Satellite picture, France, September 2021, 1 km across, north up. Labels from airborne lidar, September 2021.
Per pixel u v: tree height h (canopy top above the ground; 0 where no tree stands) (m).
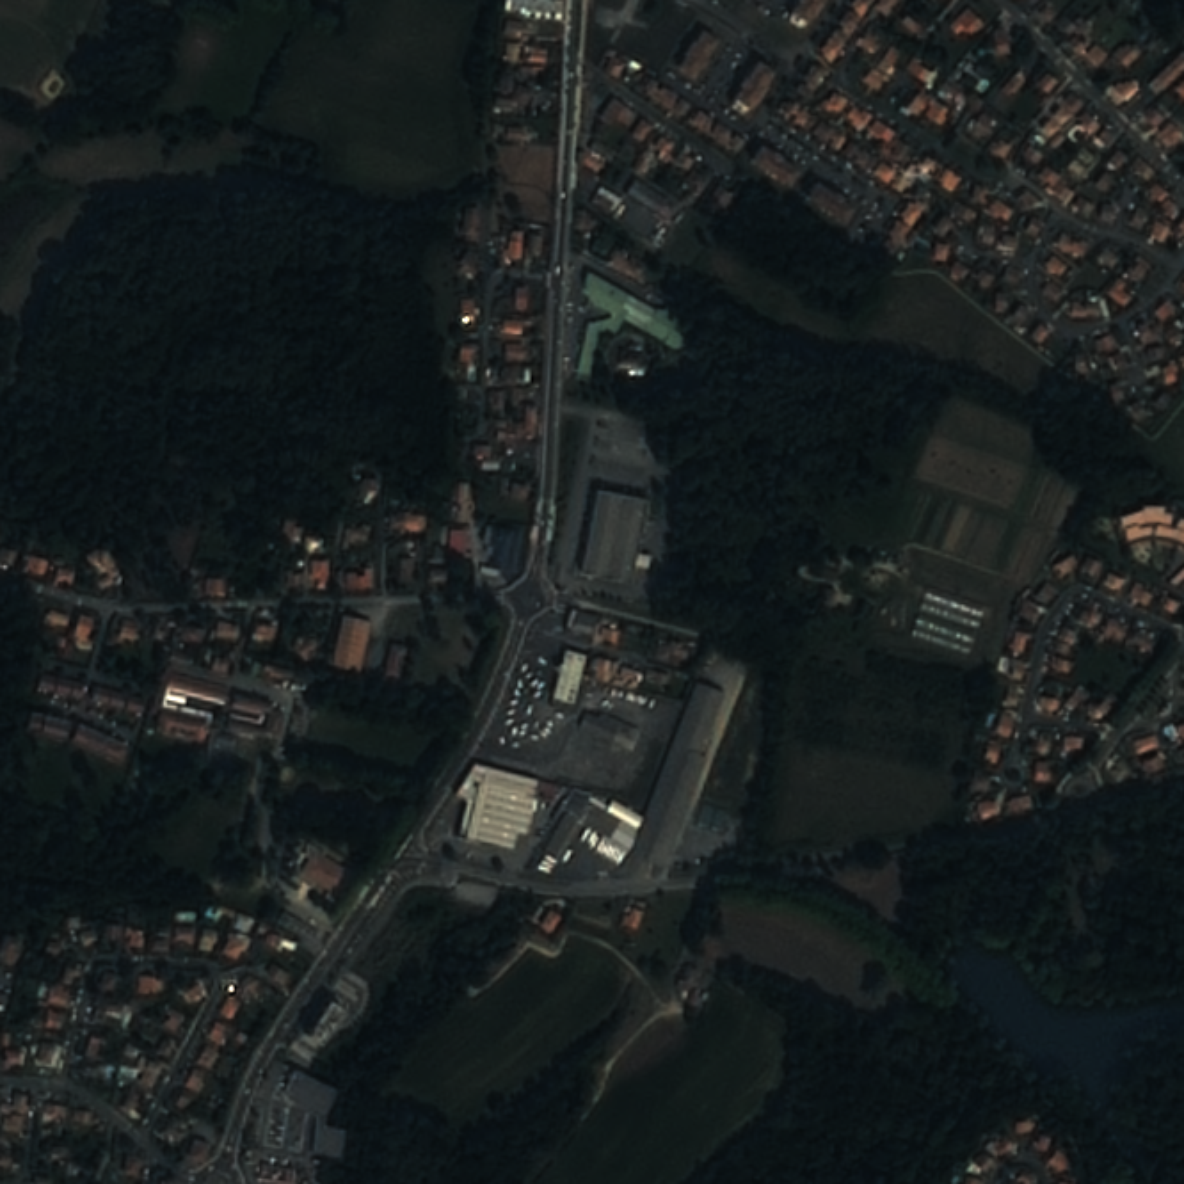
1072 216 0
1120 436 24
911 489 0
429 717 21
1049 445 16
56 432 15
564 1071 21
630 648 0
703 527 26
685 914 0
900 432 21
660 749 0
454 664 0
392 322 8
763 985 14
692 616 25
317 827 23
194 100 0
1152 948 25
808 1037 22
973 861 23
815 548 18
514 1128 26
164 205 22
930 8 13
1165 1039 14
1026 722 0
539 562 0
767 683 13
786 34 0
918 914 19
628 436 0
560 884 0
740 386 31
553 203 0
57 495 14
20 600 24
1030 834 19
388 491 6
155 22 18
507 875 0
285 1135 0
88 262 26
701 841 0
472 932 14
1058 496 0
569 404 0
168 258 27
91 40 0
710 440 26
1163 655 10
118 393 13
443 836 0
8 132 0
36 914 29
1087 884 10
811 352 27
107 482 16
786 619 23
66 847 26
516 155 0
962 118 0
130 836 8
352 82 0
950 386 13
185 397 20
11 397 11
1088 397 26
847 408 23
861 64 8
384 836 26
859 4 0
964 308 0
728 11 0
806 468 26
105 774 0
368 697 21
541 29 0
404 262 20
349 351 24
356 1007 0
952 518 0
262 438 22
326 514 10
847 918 22
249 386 13
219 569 8
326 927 0
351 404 24
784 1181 28
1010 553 0
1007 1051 6
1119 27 0
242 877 24
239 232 26
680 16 0
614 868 0
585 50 0
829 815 0
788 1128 20
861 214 0
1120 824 15
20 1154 8
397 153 0
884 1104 29
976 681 12
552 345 0
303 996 0
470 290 7
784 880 20
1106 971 24
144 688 16
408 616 0
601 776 0
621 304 0
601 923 0
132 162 0
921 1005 22
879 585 0
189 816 0
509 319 0
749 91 0
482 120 9
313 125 0
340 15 13
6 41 0
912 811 0
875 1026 25
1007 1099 19
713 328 25
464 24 0
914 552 0
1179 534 0
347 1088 16
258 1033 8
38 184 0
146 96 24
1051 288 0
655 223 0
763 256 23
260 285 29
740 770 0
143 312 29
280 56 9
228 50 0
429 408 16
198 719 0
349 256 26
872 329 0
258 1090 0
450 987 18
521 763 0
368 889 0
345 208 20
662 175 7
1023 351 0
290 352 16
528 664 0
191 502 14
